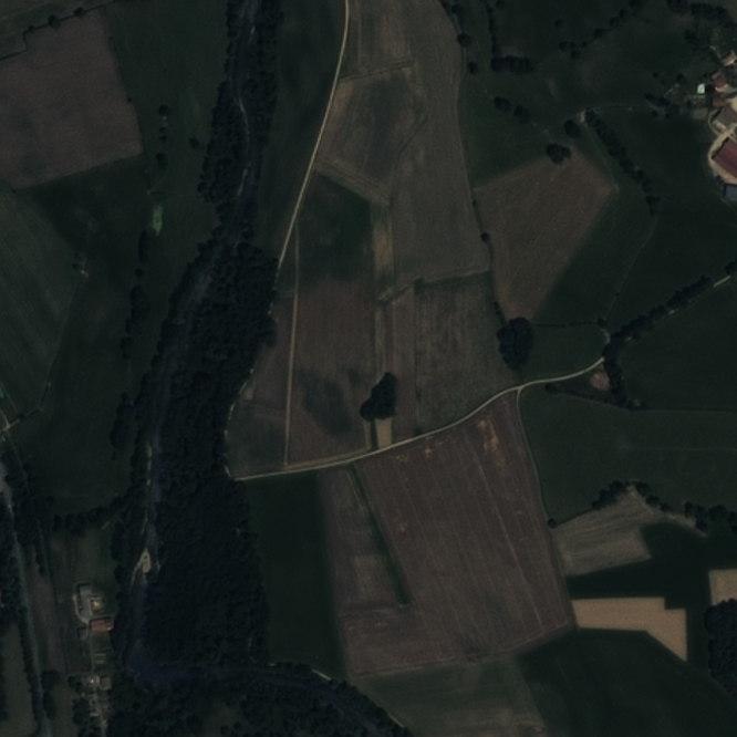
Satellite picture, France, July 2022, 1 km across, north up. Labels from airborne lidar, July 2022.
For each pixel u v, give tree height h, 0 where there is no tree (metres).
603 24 0
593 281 0
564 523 0
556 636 0
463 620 0
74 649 0
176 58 0
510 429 0
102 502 0
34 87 0
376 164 0
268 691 21
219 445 25
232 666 21
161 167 5
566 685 0
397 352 0
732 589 0
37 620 0
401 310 0
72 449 0
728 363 0
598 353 0
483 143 0
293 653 0
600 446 0
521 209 0
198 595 13
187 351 0
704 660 0
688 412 0
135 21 0
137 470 9
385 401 20
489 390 0
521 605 0
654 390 0
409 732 13
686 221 0
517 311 0
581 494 0
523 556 0
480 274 0
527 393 0
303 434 0
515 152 0
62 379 0
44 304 0
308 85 0
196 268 19
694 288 13
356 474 0
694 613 0
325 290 0
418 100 0
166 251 0
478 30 0
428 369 0
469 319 0
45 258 0
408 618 0
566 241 0
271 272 11
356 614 0
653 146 0
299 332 0
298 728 20
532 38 0
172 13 0
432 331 0
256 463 0
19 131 0
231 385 19
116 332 0
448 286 0
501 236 0
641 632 0
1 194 0
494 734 0
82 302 0
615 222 0
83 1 0
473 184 0
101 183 0
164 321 0
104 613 0
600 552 0
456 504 0
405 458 0
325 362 0
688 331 0
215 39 0
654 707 0
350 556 0
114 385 0
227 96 20
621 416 0
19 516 16
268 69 13
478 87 0
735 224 0
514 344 15
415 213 0
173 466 22
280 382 0
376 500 0
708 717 0
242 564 23
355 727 15
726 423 0
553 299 0
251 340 20
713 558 0
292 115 0
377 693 0
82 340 0
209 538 13
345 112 0
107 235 0
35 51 0
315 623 0
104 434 0
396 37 0
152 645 13
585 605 0
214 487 20
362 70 0
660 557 0
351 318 0
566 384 0
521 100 0
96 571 0
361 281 0
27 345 0
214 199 16
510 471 0
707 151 0
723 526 0
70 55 0
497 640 0
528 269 0
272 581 0
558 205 0
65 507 0
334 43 0
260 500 0
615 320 0
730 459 0
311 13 0
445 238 0
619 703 0
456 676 0
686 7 20
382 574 0
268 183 0
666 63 0
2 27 0
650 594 0
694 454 0
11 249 0
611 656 0
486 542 0
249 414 0
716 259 0
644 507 0
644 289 0
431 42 0
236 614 24
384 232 0
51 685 12
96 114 0
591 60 0
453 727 0
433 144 0
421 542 0
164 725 26
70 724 0
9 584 34
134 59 0
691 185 0
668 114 12
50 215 0
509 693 0
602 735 0
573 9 0
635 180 14
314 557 0
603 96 0
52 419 0
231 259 24
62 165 0
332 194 0
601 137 13
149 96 0
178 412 22
